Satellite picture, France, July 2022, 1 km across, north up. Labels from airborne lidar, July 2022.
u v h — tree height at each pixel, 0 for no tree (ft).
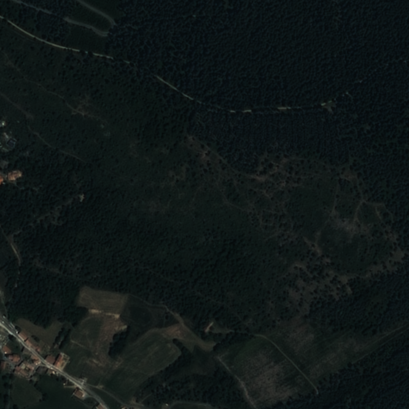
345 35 71
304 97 76
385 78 64
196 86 71
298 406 61
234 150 41
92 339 0
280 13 78
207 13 98
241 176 26
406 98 77
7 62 0
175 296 19
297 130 69
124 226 30
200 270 35
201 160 0
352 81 56
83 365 0
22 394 0
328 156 60
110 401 0
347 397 21
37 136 20
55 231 37
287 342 0
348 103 33
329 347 0
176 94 75
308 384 0
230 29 97
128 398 0
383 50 67
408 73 84
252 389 0
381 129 68
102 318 0
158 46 93
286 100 47
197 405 0
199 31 59
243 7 83
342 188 39
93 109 0
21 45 0
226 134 62
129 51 82
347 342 0
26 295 41
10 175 0
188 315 40
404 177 45
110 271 34
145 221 28
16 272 32
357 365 23
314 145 60
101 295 0
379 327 38
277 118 59
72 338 0
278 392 0
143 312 0
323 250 0
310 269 45
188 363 34
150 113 20
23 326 0
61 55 0
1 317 0
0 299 0
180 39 81
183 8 61
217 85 87
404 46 61
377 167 57
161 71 58
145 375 0
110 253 23
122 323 0
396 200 34
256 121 65
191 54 85
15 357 0
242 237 24
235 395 49
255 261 21
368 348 0
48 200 23
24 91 24
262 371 0
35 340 28
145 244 38
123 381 0
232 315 20
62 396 0
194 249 23
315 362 0
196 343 0
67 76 19
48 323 44
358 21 73
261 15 67
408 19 32
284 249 23
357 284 37
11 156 43
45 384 0
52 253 40
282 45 64
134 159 0
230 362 0
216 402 54
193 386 0
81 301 0
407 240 48
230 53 82
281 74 76
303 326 0
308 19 94
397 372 62
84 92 0
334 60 69
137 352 0
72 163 23
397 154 60
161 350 0
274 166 37
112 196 29
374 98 73
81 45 19
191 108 23
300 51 72
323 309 43
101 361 0
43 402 33
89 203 37
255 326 39
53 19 68
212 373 0
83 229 27
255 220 19
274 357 0
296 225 22
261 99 73
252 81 67
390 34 67
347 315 49
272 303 27
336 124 77
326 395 56
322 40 63
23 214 30
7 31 0
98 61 28
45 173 46
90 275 32
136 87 20
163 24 71
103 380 0
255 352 0
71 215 27
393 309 61
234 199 21
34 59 0
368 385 43
